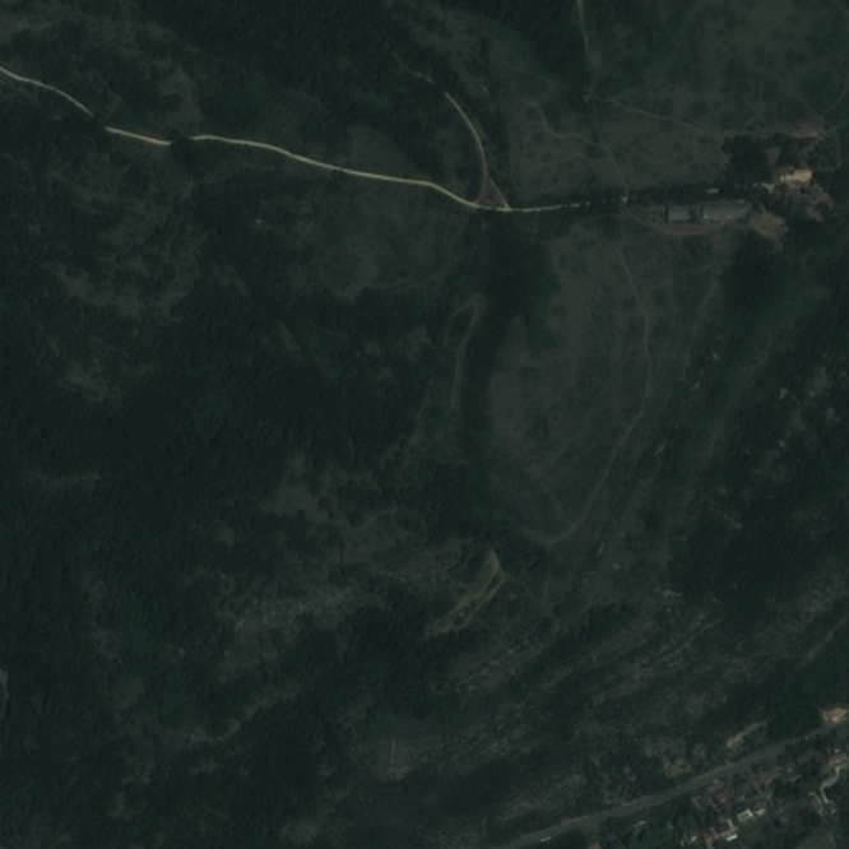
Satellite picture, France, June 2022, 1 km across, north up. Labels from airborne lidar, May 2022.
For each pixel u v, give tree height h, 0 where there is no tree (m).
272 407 14
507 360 0
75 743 9
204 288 11
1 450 15
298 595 7
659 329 0
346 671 13
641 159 0
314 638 12
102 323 7
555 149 0
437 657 12
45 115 6
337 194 7
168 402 18
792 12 0
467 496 8
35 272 10
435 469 8
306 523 7
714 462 6
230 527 9
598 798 8
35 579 16
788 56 0
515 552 6
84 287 0
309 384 9
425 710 12
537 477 0
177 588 12
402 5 9
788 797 10
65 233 8
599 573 0
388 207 0
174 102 10
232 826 9
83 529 18
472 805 9
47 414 14
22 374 12
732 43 0
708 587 7
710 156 0
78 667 9
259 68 8
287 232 7
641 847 25
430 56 8
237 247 13
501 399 0
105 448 18
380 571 0
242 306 7
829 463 5
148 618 11
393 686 9
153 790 12
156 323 7
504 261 6
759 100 0
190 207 8
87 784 9
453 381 0
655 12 0
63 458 16
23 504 15
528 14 15
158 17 11
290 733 16
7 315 5
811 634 6
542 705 6
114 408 7
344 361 11
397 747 0
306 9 9
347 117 10
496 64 0
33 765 10
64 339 7
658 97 0
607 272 0
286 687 7
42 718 9
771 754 0
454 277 5
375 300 8
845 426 12
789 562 12
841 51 0
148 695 10
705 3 0
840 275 9
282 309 11
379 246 0
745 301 10
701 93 0
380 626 17
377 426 6
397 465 7
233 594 7
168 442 11
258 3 9
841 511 6
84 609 11
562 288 0
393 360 9
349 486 9
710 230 0
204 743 6
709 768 8
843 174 7
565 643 10
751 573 12
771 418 12
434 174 7
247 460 14
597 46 0
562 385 0
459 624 8
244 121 6
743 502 11
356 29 11
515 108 0
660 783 8
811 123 0
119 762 11
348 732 7
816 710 12
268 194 9
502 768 7
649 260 0
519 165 0
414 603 11
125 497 14
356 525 7
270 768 17
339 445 11
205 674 11
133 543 12
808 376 12
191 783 11
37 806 10
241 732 9
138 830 10
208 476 14
